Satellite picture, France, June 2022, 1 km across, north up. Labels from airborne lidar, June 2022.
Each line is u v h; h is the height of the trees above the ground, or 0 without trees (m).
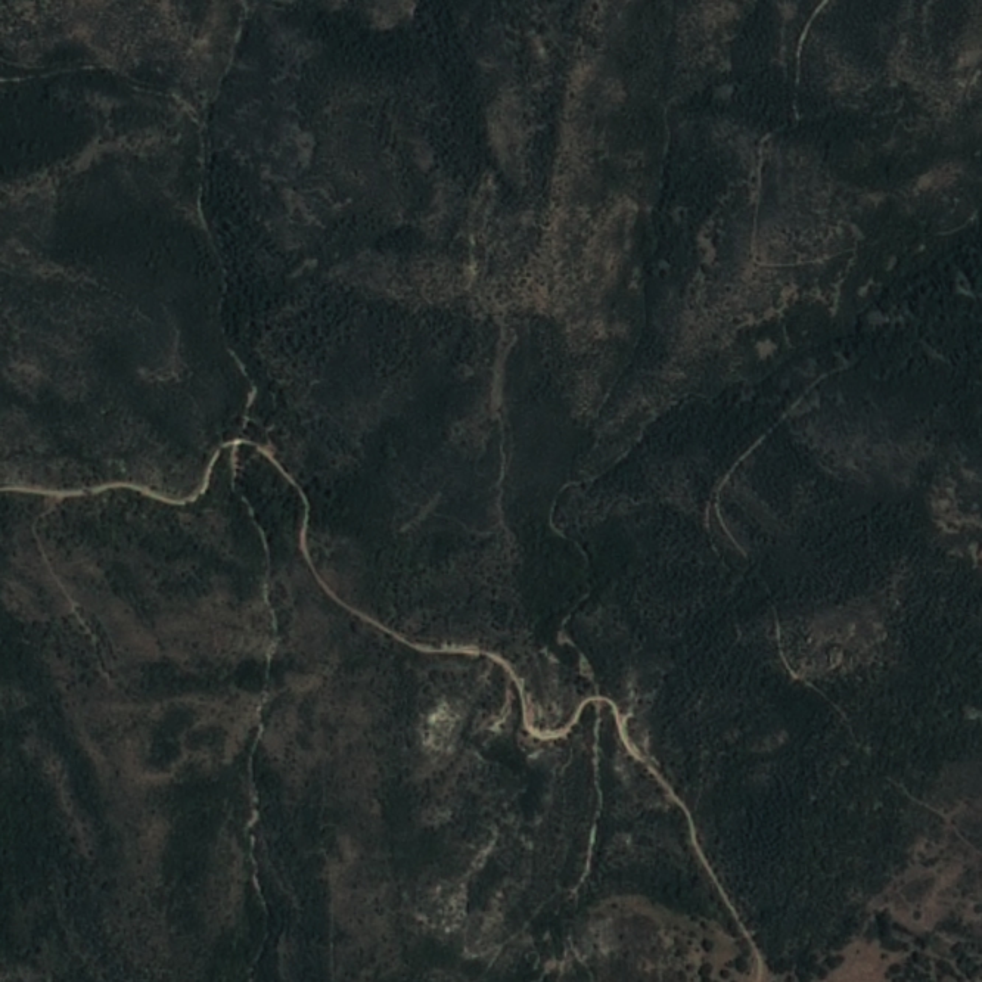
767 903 7
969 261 13
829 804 8
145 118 6
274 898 6
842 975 0
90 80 6
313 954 7
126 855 0
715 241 7
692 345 0
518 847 6
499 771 6
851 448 0
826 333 6
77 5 0
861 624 0
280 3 7
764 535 9
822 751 6
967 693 9
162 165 8
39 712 7
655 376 6
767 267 0
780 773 10
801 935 8
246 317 9
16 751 6
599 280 0
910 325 8
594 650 6
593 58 0
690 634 9
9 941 8
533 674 0
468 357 8
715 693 8
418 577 6
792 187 0
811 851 8
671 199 7
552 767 0
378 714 0
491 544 9
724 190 8
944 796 0
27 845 6
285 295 12
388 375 10
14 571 0
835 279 7
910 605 11
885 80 6
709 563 7
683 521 10
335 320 10
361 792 0
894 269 7
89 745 0
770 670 7
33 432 0
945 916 0
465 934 0
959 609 11
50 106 7
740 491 0
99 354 8
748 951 11
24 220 0
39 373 0
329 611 0
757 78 7
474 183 8
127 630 0
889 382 6
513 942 0
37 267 0
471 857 0
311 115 6
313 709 0
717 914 7
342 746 0
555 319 6
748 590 9
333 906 0
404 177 8
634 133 7
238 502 7
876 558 8
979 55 0
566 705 0
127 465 0
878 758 9
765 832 7
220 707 0
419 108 8
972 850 0
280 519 8
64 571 0
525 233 6
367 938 0
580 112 0
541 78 8
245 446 9
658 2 6
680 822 6
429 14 10
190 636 0
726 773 6
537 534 9
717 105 6
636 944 0
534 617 11
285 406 9
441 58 9
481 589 6
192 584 7
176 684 6
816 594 10
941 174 0
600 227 0
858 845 8
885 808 8
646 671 0
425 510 0
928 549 10
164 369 0
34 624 8
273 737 0
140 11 0
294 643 0
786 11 0
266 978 7
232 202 11
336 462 7
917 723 8
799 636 5
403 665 8
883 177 9
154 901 5
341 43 9
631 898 0
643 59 9
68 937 8
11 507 8
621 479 9
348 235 10
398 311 11
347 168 0
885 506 10
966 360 10
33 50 0
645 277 12
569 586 9
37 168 6
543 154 9
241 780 7
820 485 7
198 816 6
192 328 6
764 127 6
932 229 9
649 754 0
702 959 0
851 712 6
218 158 13
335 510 7
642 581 11
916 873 0
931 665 7
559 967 0
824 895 6
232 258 12
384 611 7
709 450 7
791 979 6
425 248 7
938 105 7
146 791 0
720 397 6
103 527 7
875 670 9
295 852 7
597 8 7
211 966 6
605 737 0
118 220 6
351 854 0
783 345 8
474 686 0
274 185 7
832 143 7
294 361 10
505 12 6
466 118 12
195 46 0
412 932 0
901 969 9
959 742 6
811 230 7
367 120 9
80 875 6
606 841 6
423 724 0
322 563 6
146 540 6
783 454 6
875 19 6
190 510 7
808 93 6
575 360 8
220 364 6
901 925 0
